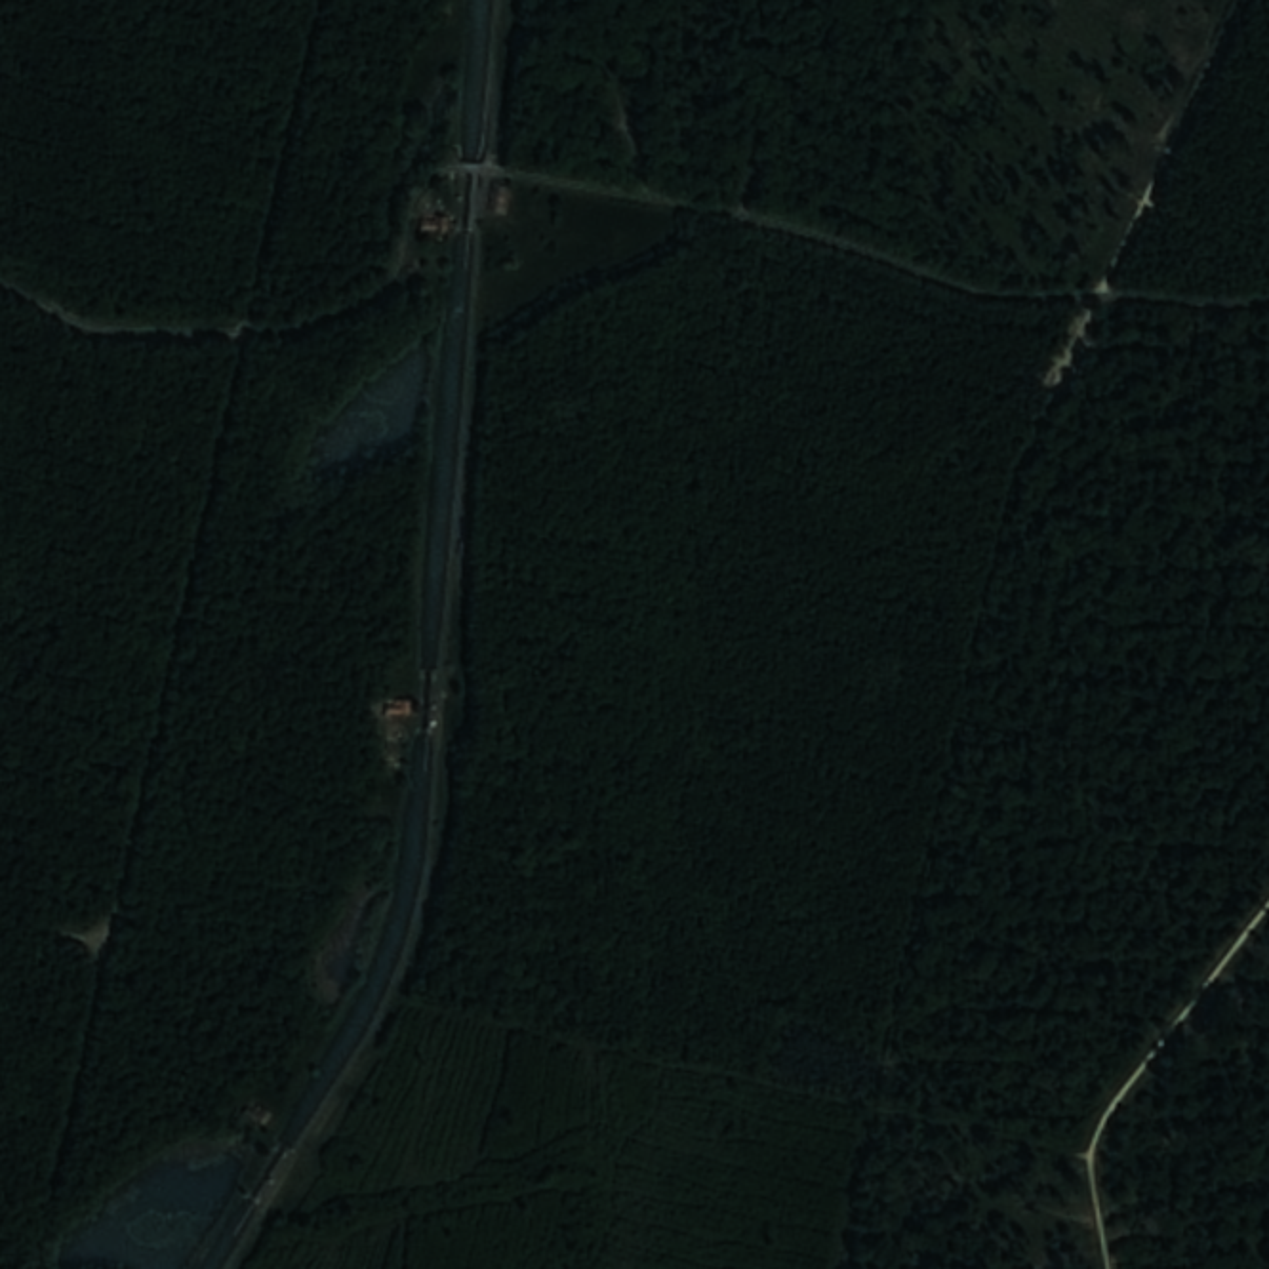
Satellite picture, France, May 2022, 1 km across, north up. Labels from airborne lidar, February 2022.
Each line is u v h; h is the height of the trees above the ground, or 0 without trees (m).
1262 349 28
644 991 17
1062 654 23
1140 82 0
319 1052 0
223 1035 24
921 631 18
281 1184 0
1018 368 17
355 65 21
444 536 0
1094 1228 0
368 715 19
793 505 15
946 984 28
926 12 25
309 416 15
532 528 18
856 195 25
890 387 20
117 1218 0
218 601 23
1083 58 0
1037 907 24
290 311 22
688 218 16
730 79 28
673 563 20
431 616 0
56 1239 19
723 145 28
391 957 0
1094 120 0
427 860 0
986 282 17
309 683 20
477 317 0
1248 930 0
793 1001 20
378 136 23
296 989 28
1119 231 0
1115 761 28
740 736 20
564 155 29
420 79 0
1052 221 0
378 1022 0
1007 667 19
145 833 20
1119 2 0
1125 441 27
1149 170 0
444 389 0
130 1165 13
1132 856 21
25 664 19
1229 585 27
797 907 18
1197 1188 20
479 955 25
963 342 18
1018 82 26
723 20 21
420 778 0
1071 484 26
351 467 9
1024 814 21
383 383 0
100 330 0
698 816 18
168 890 22
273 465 22
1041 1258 0
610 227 0
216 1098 22
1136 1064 0
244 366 21
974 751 21
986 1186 0
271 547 24
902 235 24
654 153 26
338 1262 0
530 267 0
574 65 28
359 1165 22
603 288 21
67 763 20
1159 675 24
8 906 20
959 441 22
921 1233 27
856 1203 19
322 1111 0
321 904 20
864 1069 16
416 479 19
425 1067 0
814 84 24
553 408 21
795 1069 15
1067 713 24
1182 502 28
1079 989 23
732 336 14
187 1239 0
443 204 0
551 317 21
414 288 13
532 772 23
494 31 0
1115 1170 24
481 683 23
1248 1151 27
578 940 23
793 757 18
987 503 20
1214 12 0
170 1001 22
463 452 0
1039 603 24
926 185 26
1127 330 26
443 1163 0
